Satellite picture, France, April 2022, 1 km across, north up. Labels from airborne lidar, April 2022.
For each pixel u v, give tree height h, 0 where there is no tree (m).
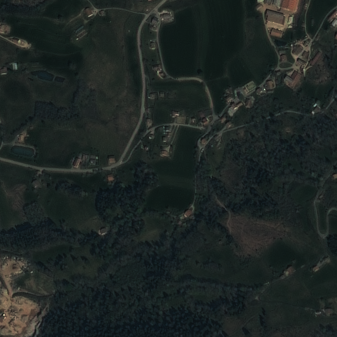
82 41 0
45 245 24
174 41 0
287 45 0
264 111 9
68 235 20
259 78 0
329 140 28
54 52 0
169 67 0
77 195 27
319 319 0
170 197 0
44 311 0
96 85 0
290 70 0
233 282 0
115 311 9
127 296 0
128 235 22
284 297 0
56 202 0
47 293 0
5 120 0
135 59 0
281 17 0
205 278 0
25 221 0
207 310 25
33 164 0
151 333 29
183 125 0
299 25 0
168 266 25
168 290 7
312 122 19
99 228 0
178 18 0
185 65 0
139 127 0
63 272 10
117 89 0
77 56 0
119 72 0
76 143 0
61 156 0
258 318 0
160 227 0
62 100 0
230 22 0
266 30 0
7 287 0
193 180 0
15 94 0
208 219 28
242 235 0
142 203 23
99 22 0
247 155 9
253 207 26
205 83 11
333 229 0
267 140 20
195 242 18
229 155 11
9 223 0
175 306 0
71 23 0
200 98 0
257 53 0
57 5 0
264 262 0
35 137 0
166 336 28
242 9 0
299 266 0
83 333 27
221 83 0
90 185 0
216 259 0
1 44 0
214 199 25
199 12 0
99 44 0
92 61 0
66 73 0
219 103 0
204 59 0
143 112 0
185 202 0
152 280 25
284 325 0
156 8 0
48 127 0
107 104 0
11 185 0
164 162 0
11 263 0
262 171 6
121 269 9
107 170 0
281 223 0
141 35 0
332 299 0
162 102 0
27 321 0
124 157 0
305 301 0
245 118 0
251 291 19
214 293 25
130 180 0
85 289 20
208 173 21
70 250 0
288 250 0
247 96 0
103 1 0
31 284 0
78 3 0
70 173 0
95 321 17
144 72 0
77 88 0
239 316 22
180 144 0
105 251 22
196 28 0
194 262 0
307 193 0
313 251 0
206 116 0
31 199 0
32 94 0
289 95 0
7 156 0
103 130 0
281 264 0
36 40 0
